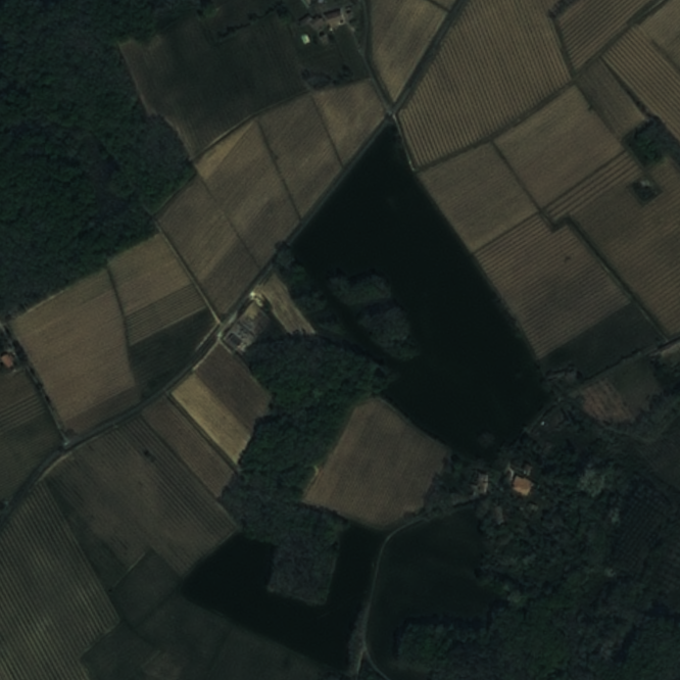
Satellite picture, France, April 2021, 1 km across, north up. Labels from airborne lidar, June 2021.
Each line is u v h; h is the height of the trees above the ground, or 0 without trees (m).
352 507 0
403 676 0
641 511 27
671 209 0
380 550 0
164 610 0
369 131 0
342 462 0
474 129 0
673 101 0
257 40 0
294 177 0
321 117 0
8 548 0
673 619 32
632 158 0
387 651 0
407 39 0
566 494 6
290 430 28
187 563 0
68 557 0
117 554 0
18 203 24
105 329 0
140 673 0
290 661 0
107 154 18
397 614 0
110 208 17
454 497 14
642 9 0
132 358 0
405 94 0
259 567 0
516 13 0
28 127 22
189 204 0
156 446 0
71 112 21
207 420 0
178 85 0
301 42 0
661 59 0
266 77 0
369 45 0
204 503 0
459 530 0
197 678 0
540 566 7
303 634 0
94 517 0
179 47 0
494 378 0
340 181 0
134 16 27
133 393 0
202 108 0
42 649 0
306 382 22
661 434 23
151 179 24
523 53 0
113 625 0
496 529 12
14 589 0
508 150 0
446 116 0
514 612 19
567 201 0
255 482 17
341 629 0
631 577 12
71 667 0
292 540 19
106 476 0
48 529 0
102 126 19
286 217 0
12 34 26
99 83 21
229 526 0
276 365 21
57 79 23
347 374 21
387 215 0
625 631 19
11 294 20
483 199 0
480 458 13
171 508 0
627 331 0
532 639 23
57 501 0
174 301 0
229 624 0
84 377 0
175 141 19
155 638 0
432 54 0
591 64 0
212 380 0
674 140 16
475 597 0
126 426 0
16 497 0
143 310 0
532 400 0
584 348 0
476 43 0
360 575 0
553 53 0
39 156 24
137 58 0
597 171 0
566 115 0
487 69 0
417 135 0
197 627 0
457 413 0
